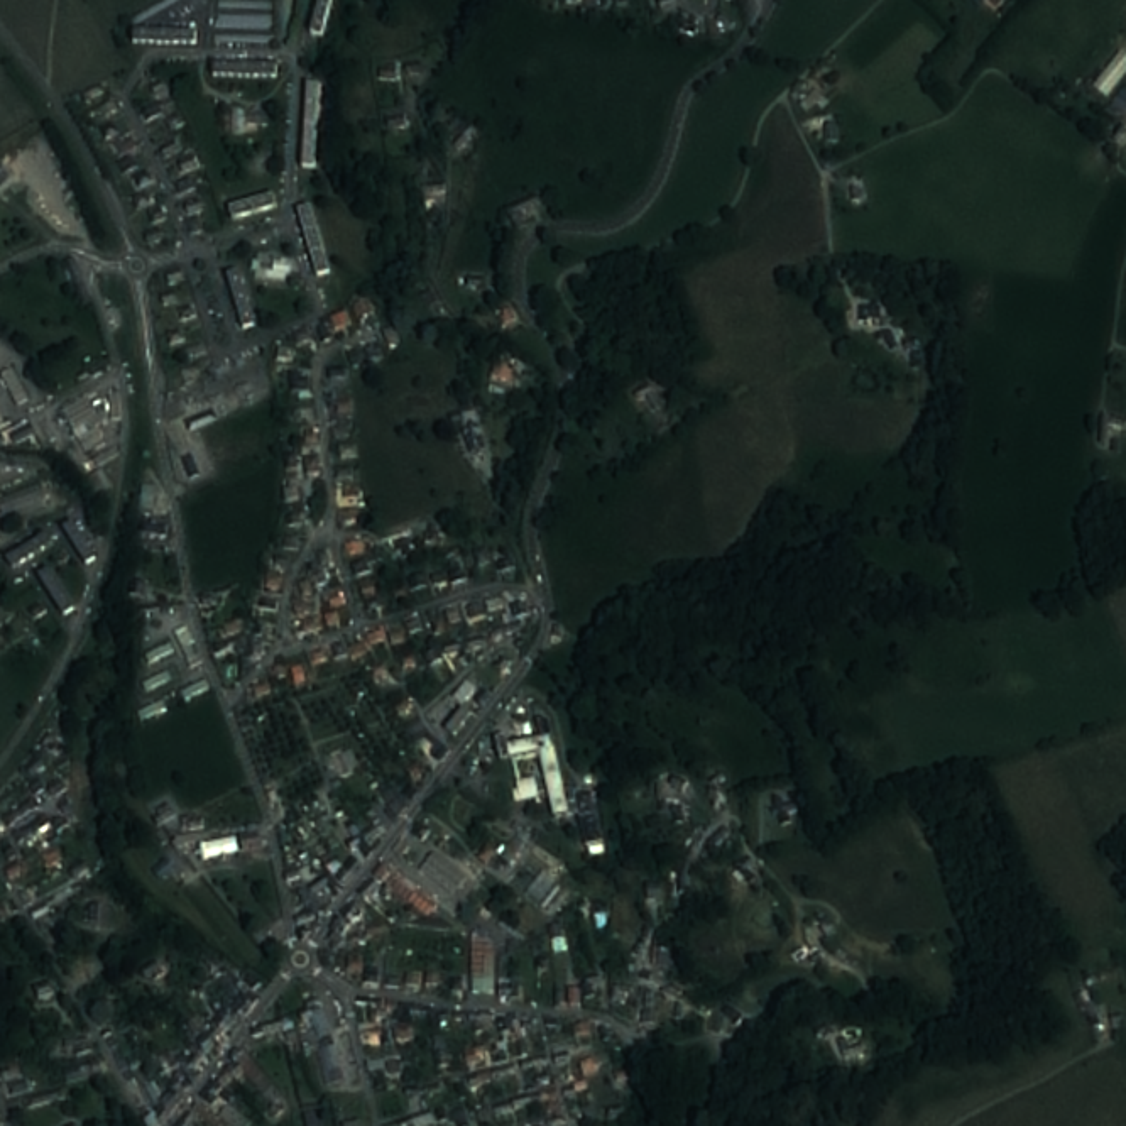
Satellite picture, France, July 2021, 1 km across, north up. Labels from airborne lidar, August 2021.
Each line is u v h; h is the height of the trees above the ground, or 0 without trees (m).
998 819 15
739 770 0
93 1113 0
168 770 0
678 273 6
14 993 11
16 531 19
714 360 0
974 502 0
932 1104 0
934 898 0
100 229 10
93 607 0
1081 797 0
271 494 0
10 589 20
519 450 17
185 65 10
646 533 0
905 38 0
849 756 20
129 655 16
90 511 17
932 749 0
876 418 0
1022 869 22
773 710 25
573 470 0
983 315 0
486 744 0
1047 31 0
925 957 0
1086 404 0
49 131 11
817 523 22
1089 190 0
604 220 0
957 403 21
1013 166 0
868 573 19
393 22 18
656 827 14
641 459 10
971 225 0
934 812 25
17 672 0
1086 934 0
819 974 13
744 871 0
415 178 7
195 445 0
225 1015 0
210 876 0
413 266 19
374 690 7
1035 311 0
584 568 0
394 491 0
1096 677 0
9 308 0
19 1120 13
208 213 0
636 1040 0
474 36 25
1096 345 0
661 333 13
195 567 0
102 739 27
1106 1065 0
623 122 0
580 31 0
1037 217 0
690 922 16
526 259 0
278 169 14
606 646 16
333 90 15
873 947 0
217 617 8
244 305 0
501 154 0
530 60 0
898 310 12
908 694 0
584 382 19
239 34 0
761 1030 23
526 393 7
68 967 9
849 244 0
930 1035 25
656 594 27
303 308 12
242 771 0
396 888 0
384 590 16
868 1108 23
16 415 0
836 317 13
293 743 7
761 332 0
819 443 0
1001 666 0
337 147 21
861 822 24
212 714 0
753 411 0
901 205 0
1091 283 0
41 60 0
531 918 0
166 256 0
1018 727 0
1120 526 21
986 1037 25
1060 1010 14
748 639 12
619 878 12
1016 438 0
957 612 15
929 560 0
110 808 22
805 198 0
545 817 10
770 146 0
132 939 7
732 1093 18
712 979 7
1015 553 0
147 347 0
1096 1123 0
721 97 0
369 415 0
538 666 12
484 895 0
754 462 0
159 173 0
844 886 0
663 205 0
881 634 0
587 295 21
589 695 14
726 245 0
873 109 0
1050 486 0
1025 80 10
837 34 0
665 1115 30
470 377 16
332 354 0
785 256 0
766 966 23
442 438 17
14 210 0
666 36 9
